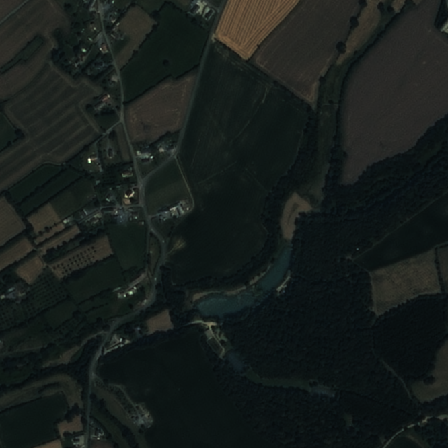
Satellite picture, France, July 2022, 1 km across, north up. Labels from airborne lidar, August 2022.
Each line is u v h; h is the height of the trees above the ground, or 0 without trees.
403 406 19
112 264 0
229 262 0
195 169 0
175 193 0
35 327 0
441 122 14
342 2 0
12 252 0
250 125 0
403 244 0
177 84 0
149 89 7
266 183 0
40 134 0
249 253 0
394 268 0
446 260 0
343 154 6
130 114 0
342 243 15
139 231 0
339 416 15
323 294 17
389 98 0
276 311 17
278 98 0
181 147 0
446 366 0
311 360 13
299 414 21
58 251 5
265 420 18
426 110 0
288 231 0
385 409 18
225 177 0
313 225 11
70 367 19
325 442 20
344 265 16
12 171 0
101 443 0
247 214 0
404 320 14
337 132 11
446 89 0
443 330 9
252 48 0
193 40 0
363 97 0
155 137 0
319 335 17
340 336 20
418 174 17
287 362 12
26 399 0
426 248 0
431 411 26
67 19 0
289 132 0
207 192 0
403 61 0
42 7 0
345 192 14
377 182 7
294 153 0
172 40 0
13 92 0
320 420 23
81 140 0
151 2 0
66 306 0
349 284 15
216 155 0
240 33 0
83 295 0
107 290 8
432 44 0
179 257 0
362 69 0
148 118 0
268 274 0
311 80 0
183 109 0
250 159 0
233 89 0
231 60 0
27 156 0
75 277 15
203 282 9
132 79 0
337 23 0
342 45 18
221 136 0
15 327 9
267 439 14
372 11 0
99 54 8
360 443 16
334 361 16
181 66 0
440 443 15
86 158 0
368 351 18
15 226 0
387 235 0
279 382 0
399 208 18
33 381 11
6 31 0
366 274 12
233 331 12
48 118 0
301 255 14
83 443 0
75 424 0
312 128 14
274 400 12
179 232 0
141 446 0
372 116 0
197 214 0
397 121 0
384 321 15
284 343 15
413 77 0
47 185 8
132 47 0
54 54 19
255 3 0
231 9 0
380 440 19
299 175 19
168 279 9
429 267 0
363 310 8
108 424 0
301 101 9
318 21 0
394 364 19
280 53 0
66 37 0
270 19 0
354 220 19
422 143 16
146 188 0
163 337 19
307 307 16
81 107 0
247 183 0
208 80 0
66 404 8
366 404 16
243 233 0
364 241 13
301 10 0
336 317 19
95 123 0
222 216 0
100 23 0
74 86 0
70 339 10
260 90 0
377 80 0
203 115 0
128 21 0
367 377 19
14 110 0
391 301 0
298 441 22
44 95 0
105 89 8
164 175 0
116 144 0
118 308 0
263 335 15
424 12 0
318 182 0
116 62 0
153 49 0
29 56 0
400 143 0
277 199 22
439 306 11
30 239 8
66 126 0
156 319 0
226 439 0
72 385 0
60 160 0
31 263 0
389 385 21
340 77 0
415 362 12
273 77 0
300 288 16
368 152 0
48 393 0
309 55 0
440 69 0
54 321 0
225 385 12
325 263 18
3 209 0
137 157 0
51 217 0
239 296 0
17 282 11
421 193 14
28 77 0
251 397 13
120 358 6
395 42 0
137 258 0
